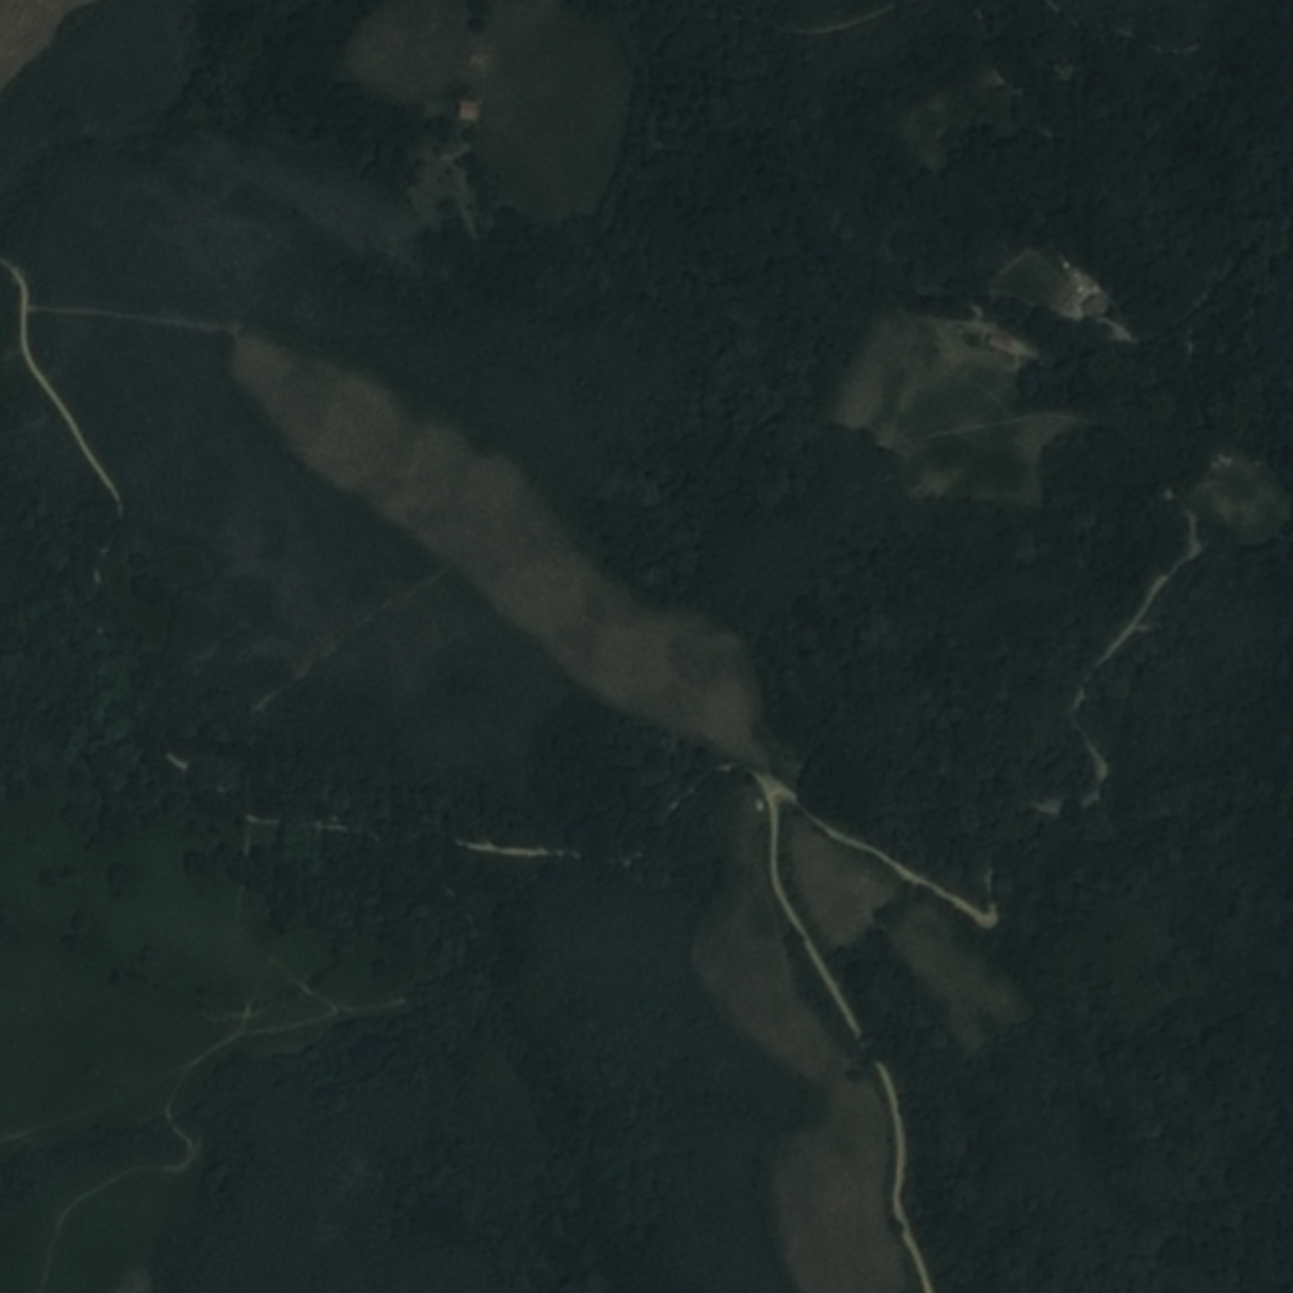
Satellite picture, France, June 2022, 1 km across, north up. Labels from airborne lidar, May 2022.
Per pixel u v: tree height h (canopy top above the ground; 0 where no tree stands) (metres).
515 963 12
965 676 8
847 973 7
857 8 6
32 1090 0
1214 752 11
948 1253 9
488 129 0
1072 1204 6
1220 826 17
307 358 0
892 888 0
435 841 15
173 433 0
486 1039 9
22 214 8
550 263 11
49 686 9
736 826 0
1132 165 17
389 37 0
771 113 20
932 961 0
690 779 15
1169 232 24
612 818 9
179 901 0
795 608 7
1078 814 19
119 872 11
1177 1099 7
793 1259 0
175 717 13
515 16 0
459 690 8
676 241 21
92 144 10
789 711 12
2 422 9
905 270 11
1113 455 18
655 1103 13
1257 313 19
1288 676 17
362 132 19
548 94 0
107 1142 6
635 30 14
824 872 0
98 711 21
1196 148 12
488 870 9
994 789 10
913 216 9
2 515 12
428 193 0
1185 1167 10
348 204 0
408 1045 26
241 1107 8
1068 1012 6
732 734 0
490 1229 9
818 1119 0
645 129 7
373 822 7
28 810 0
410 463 0
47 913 0
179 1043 0
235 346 0
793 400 31
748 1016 0
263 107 9
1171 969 21
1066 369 13
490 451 0
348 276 10
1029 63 19
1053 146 20
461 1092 6
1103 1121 9
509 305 7
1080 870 22
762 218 28
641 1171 12
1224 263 18
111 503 9
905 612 9
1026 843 25
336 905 9
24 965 0
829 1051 0
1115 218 11
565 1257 12
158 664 6
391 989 0
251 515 0
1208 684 7
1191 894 7
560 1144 7
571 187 0
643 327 8
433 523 0
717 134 25
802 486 13
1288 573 13
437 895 13
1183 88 7
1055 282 0
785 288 18
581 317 9
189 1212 0
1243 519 0
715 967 0
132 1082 0
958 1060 6
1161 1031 7
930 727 11
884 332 0
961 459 0
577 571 0
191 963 0
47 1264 0
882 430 0
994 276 10
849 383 0
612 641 0
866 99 18
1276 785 16
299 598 0
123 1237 0
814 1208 0
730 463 18
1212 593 15
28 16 0
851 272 23
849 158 10
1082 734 12
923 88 19
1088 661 7
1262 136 17
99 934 0
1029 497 0
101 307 0
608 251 12
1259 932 6
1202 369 15
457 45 0
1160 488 17
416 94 0
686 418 14
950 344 0
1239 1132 7
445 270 11
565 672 0
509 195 0
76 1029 0
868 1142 0
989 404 0
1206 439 21
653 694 0
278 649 0
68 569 16
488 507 0
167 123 10
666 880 9
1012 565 8
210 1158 7
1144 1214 12
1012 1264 8
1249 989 15
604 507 17
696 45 18
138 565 12
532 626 0
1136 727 12
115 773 21
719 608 6
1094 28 11
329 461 0
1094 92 15
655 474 17
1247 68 11
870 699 13
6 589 6
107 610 16
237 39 25
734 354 14
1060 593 6
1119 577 11
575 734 12
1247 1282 16
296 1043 0
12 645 10
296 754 7
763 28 7
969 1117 10
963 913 8
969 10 10
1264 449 14
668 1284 10
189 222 0
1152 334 13
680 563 22
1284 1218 19
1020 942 17
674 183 12
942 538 8
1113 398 13
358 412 0
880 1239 0
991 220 21
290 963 0
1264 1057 8
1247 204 11
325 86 11
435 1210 14
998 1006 0
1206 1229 27
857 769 15
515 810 11
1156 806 17
